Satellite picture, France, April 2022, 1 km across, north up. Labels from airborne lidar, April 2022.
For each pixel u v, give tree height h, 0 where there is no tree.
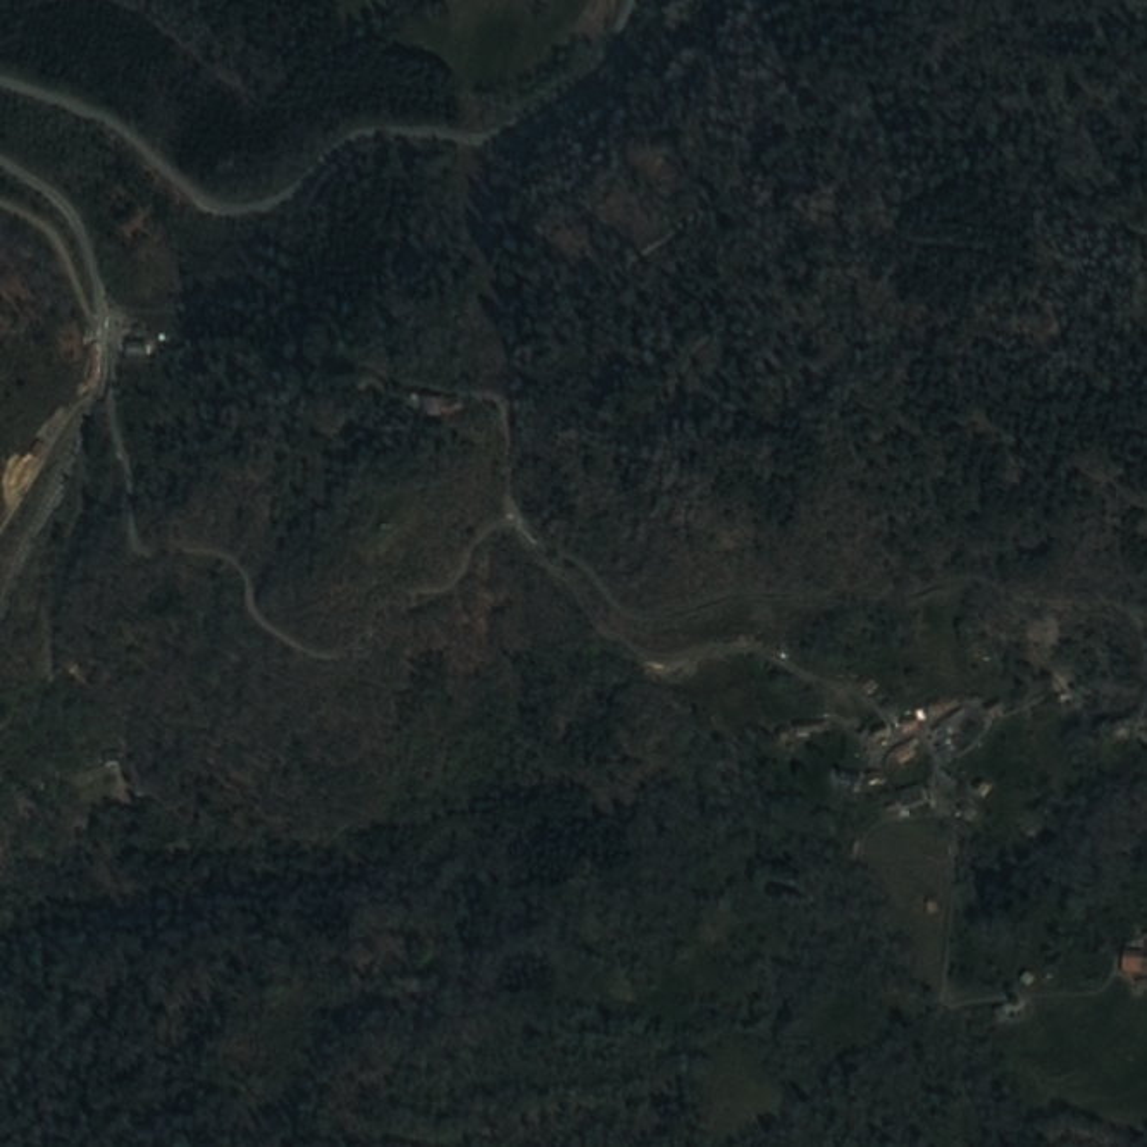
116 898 27
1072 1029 0
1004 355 17
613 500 9
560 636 23
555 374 9
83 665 19
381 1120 18
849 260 11
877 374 10
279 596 10
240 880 34
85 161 7
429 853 21
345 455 6
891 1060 12
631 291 24
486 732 25
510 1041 24
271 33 29
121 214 8
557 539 15
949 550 15
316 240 16
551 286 27
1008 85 8
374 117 17
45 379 7
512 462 11
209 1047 26
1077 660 6
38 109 6
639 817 15
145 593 20
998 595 16
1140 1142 16
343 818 21
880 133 16
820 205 26
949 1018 11
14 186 7
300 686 14
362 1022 23
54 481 0
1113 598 21
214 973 31
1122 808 14
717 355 0
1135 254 23
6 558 15
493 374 0
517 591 14
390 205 13
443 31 0
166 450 10
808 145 8
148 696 28
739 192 6
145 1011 22
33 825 17
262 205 0
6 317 28
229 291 8
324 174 12
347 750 24
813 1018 19
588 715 19
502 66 0
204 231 7
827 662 20
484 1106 17
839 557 17
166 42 12
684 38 13
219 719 16
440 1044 36
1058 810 14
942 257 12
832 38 25
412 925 16
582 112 8
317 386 28
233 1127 31
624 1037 16
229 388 7
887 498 20
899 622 23
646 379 15
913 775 0
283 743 25
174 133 19
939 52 20
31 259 30
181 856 11
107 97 13
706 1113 14
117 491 8
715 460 7
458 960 31
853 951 11
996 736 0
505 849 16
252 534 15
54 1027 24
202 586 24
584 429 12
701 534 12
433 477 6
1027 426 18
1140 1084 0
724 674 0
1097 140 22
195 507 13
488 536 6
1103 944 9
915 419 18
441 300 28
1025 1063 0
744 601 6
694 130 24
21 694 7
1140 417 15
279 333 13
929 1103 9
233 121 23
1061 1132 25
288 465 19
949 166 15
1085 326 20
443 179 9
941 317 7
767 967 20
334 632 12
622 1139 16
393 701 23
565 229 30
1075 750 17
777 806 31
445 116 23
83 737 15
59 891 31
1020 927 24
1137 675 18
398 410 6
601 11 0
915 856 0
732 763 32
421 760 7
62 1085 19
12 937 28
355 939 26
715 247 6
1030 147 9
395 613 23
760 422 7
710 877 8
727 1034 7
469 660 28
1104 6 8
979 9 8
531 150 12
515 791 13
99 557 21
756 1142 20
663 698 26
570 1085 9
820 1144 9
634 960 7
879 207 24
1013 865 19
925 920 0
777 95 22
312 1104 23
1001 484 22
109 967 33
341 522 10
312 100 22
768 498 14
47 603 23
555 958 30
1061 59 22
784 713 0
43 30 12
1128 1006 0
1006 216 16
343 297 10
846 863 14
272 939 19
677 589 9
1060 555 16
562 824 22
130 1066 23
